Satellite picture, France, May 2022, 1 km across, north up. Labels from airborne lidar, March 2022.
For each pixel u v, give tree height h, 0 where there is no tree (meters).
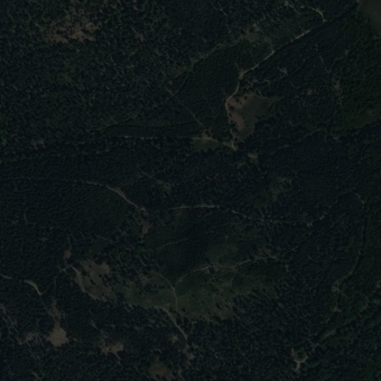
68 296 17
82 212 7
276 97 7
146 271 19
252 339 37
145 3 27
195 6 22
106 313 17
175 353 34
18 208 11
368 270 14
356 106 13
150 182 8
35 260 20
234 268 0
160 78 24
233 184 32
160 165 7
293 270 10
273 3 19
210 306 0
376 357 19
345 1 23
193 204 29
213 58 7
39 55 25
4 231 11
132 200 13
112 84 26
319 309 19
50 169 19
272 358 16
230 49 7
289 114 7
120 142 18
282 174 32
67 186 14
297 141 16
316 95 8
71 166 23
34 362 27
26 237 14
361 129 6
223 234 6
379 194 19
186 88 8
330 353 6
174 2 25
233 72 11
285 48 15
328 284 14
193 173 32
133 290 0
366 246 18
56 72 28
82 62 28
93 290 0
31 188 17
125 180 24
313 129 12
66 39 21
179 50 30
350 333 22
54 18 22
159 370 0
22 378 21
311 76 9
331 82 10
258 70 16
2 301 23
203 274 6
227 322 0
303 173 31
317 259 24
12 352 20
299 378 34
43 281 25
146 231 0
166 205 25
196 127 10
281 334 30
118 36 19
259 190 36
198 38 21
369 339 19
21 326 20
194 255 9
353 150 29
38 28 17
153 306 0
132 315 17
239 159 30
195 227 12
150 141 15
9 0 30
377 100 12
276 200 0
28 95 15
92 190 7
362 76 7
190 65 22
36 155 20
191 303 0
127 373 34
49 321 25
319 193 27
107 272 0
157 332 20
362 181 24
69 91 30
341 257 15
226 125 11
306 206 20
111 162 21
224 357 29
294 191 32
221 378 13
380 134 22
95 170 25
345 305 12
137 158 20
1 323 20
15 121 33
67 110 14
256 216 29
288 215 26
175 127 11
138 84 27
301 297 40
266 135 14
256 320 42
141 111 24
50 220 14
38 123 7
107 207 7
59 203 19
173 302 0
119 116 9
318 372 23
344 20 17
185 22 23
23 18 23
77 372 20
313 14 9
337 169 26
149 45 26
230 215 9
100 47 25
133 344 25
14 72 29
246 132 0
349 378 19
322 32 24
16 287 15
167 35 28
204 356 28
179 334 24
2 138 34
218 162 7
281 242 22
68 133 32
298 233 33
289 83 11
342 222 29
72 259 11
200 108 12
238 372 31
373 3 0
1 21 15
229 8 29
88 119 30
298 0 28
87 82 33
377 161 23
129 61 27
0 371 24
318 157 27
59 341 0
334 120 9
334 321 23
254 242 6
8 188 18
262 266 10
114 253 24
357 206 25
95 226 9
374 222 19
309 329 35
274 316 39
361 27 18
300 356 20
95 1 8
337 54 17
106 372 31
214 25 27
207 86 8
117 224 6
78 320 24
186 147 30
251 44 7
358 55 9
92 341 29
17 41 26
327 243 23
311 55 9
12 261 13
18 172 21
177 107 7
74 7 6
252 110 0
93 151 31
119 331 21
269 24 31
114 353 0
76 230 6
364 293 15
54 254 21
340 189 21
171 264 7
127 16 17
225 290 0
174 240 6
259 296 35
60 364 20
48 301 20
